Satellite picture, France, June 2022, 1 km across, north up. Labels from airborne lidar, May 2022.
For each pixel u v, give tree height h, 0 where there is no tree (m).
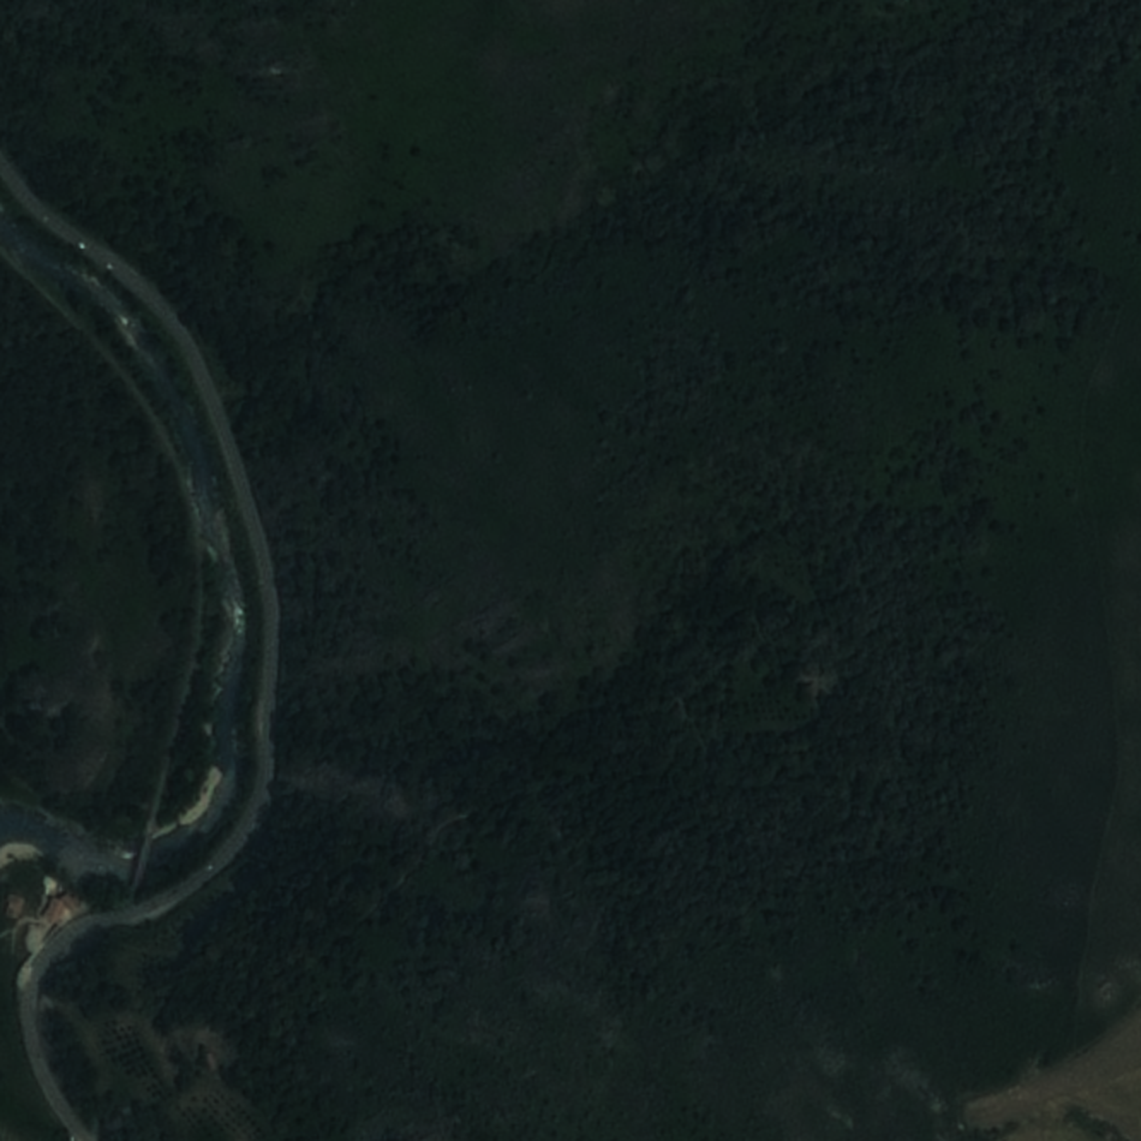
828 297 11
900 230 15
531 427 0
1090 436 0
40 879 0
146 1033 0
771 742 14
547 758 18
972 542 14
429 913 8
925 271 14
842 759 14
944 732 12
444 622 0
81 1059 15
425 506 8
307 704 16
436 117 0
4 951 0
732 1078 0
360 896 12
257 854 15
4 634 18
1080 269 9
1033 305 15
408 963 8
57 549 15
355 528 13
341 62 0
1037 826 0
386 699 21
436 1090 8
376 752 17
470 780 22
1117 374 0
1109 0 21
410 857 12
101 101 8
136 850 0
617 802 8
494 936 11
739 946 6
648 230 6
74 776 0
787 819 19
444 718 24
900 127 9
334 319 15
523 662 8
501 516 0
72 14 13
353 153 0
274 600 0
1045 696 0
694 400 7
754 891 15
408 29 0
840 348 8
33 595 10
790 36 9
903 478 12
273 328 9
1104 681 0
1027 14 17
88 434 18
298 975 13
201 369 0
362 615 10
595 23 0
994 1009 0
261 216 0
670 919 13
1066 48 20
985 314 14
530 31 0
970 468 11
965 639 11
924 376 0
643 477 6
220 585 16
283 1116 8
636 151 7
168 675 16
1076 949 0
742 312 0
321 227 0
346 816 12
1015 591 0
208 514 0
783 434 12
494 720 19
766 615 15
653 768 19
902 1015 0
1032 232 13
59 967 8
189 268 12
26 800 0
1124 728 0
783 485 15
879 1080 0
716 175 14
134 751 12
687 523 8
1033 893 0
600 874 12
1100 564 0
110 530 14
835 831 13
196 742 23
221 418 0
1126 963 0
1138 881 0
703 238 12
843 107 18
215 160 10
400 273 6
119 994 16
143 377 13
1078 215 10
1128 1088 0
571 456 0
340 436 16
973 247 15
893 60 21
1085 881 0
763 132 16
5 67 15
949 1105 0
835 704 17
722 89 17
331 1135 7
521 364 0
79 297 18
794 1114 0
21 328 25
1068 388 0
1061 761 0
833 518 17
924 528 10
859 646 10
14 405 19
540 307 0
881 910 9
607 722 23
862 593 16
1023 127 12
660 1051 0
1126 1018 0
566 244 10
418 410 0
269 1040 12
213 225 14
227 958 19
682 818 7
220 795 0
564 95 0
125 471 10
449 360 0
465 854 10
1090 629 0
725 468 13
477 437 0
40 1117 0
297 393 15
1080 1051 0
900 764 10
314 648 10
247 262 9
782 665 9
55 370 27
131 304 6
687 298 9
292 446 7
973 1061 0
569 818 15
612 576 0
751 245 15
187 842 0
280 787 12
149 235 19
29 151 12
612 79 0
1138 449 0
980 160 12
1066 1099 0
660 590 11
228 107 0
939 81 22
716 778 18
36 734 10
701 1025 6
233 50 6
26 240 0
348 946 16
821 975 0
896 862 11
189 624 14
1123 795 0
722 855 17
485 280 12
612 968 8
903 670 10
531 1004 9
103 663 12
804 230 7
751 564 16
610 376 0
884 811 16
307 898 26
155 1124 14
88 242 0
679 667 19
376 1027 0
